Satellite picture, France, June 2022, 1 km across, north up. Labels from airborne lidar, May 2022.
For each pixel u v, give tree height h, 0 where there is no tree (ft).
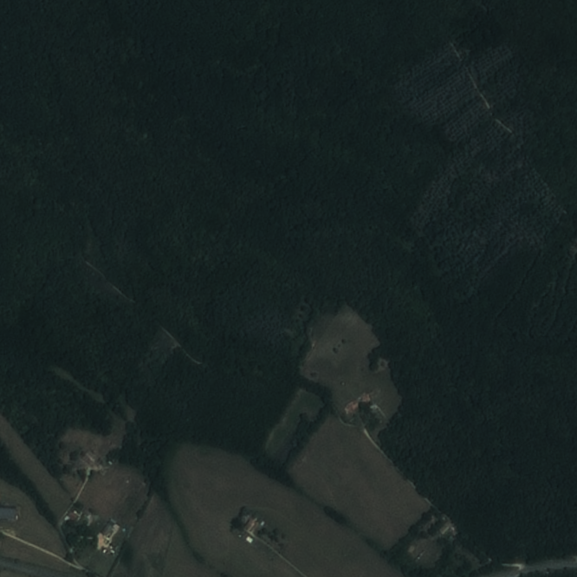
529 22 58
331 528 0
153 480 36
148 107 44
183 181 66
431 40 49
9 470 39
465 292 52
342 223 88
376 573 0
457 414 52
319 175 57
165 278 37
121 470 0
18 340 64
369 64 72
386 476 0
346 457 0
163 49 82
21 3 46
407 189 59
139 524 0
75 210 52
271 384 49
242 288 46
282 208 76
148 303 34
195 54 80
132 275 26
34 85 60
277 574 0
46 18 53
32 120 62
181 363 35
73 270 37
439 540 28
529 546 58
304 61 76
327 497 0
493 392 46
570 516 56
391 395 0
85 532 29
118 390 36
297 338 30
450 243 70
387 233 69
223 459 0
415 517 0
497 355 67
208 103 79
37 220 43
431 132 60
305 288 49
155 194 64
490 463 64
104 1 60
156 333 23
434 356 80
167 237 61
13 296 46
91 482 0
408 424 43
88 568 23
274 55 68
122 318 44
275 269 61
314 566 0
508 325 72
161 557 0
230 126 57
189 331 58
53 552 0
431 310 57
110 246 51
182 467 0
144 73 73
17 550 0
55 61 47
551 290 51
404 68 49
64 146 49
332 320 0
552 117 74
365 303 47
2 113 79
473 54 42
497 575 0
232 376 42
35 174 73
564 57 44
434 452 50
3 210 36
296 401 0
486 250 44
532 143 48
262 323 51
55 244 26
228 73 97
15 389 50
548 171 45
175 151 64
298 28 75
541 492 45
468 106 49
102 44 68
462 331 77
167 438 36
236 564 0
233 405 40
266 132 65
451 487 39
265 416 33
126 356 24
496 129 46
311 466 0
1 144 73
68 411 50
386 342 52
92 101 60
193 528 0
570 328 68
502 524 56
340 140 54
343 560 0
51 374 43
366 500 0
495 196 39
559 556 41
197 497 0
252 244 56
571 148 87
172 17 81
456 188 60
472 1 61
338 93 41
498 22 44
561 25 44
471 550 35
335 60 81
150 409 31
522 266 48
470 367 78
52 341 27
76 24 72
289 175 80
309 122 45
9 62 56
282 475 36
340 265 61
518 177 46
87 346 43
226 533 0
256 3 83
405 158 57
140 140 64
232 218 39
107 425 57
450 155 39
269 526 0
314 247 62
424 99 56
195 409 36
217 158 66
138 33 78
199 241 67
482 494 50
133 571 0
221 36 91
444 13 56
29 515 0
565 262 49
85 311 31
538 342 76
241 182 61
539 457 49
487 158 49
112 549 0
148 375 26
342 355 0
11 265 48
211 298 24
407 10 70
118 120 57
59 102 45
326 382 0
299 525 0
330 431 0
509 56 37
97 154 48
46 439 35
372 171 62
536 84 71
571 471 43
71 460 26
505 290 61
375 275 70
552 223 47
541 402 42
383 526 0
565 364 65
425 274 75
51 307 58
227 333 57
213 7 80
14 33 53
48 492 0
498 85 35
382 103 52
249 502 0
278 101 80
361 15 69
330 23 68
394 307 57
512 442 48
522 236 30
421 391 58
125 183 49
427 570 41
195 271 59
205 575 0
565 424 41
